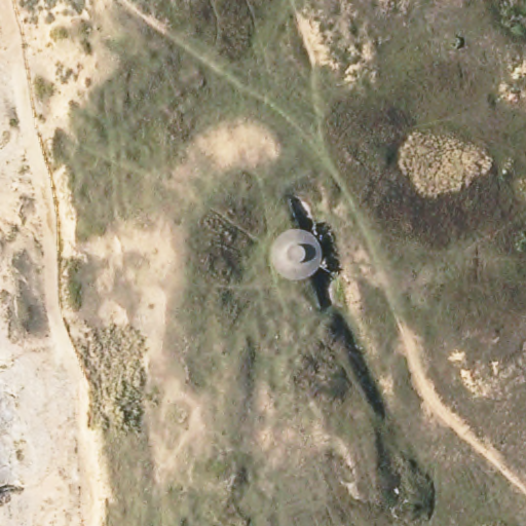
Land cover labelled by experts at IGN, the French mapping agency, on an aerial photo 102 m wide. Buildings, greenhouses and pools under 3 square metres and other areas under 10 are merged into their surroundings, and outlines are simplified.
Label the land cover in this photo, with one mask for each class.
<instances>
[{"label":"herbaceous vegetation","instance_id":"1","mask_svg":"<svg viewBox=\"0 0 526 526\"><path fill-rule=\"evenodd\" d=\"M144 12L154 14L158 21H166L168 29L164 33L152 29L148 23L134 16L127 8L113 18L117 25H121V39H107L105 49L119 58V66L97 90L90 92V101L84 107L70 101L68 119L70 125L76 129L78 138L70 140L66 136V154L60 158L68 173L72 208L76 210L78 242H88L107 232L111 234L121 220H132L138 214H142L144 173L152 168H175L183 164L187 160V144L210 129H218L224 121L245 119L247 125L255 123L265 127L277 142L279 154L277 158H271L269 162H257L251 168H226L222 173L220 183L203 201V214L197 220L189 222V234L185 238V292L181 304L187 308L189 314V353L185 360L189 380L183 386L195 395V399L201 405V419L205 425L212 427V456L205 460V473L214 479H236L238 468L247 466V485L242 487L234 481L228 497L212 491H187L179 485H168L164 495L152 497V487L156 485L154 452L150 446L146 423L142 421L144 427L140 431L125 434L121 431L123 419L117 423L107 417L103 419L101 431V452L107 458V475L111 489V493L105 497L103 526H281L277 516L269 514L271 497L265 495V491L259 487V468L265 464V460L257 454H234L230 440L222 434V429L228 427L226 395L230 388V378L234 374L245 392H255L259 384H267L271 392H312V399L316 401L325 417V431L343 438L351 450L353 464L349 466L345 464L339 452L329 448L325 450L327 505L325 510L316 512L302 508L294 510L290 514L288 526H526V495L512 487V483L487 462L485 456L475 452L471 444H466L452 427L444 425L436 413H427L423 409V399L413 384L409 362L403 351L397 327L407 323V327L417 337H421V366L425 370V376L434 382L440 401L471 427V431L479 440L489 438L491 446L503 458V462L512 471H516V475L522 481H526V0H134ZM300 18L314 21L318 25L321 41L329 49V58L323 66L310 64L304 39L298 29ZM411 132H417L421 136H444L448 140L454 138L466 146L485 150L491 160V166L487 175L473 177L471 185L460 187L458 191L440 193L436 197L421 195L415 189L413 179L409 175H403V171L399 168V150ZM296 199L306 212L308 220H312L321 222L316 226V238L321 242L327 267L318 269L310 277L318 298L316 310L298 292V279L284 277L281 271L271 263V249L275 240L286 230L296 228L290 218V203ZM345 263L351 265L353 279L358 281L362 298L360 308L366 327L376 335L378 343V353H372L368 360L364 358V351L360 349L358 339L345 318L347 298L343 277L339 275ZM362 267H370L376 273L384 271L390 277V281L382 288H376L364 277ZM464 370L471 372L473 380H483L489 384V397H473V392H468L460 378V372Z\"/></svg>","mask_w":526,"mask_h":526},{"label":"bare soil","instance_id":"2","mask_svg":"<svg viewBox=\"0 0 526 526\"><path fill-rule=\"evenodd\" d=\"M21 6L29 10L23 25L27 43H21V60L27 84L35 86L31 90V113L37 119L35 134L43 154V162L49 173L51 191H55L53 203L60 208L64 232V238L55 242L58 304L62 308L66 337L72 343L82 364L84 378L88 382L86 427L101 431L103 419L107 417L117 423L123 419L121 431L125 434L140 431L144 427L142 421L146 423L150 446L154 452L156 485L152 487V497L164 495L168 485H179L187 491H212L228 497L234 481L242 487L247 485V466L238 468L236 479H214L205 473V460L212 456V427L205 425L201 419V405L195 399V395L183 386L189 380L185 360L189 353V314L187 308L181 304L185 292V238L189 234V222L197 220L203 214V201L220 183L222 173L226 168H251L257 162H269L271 158H277L279 154L277 142L265 127L255 123L247 125L245 119L224 121L218 129H210L187 144V160L183 164L175 168H152L144 173L142 214H138L132 220H121L111 234L107 232L88 242H78L76 210L72 208L68 173L60 158L66 154V136L70 140L78 138L76 129L70 125L68 119L70 101L84 107L90 101V92L97 90L119 66V58L105 49L107 39H121V25H117L113 18V0H21ZM491 166V160L485 150L466 146L454 138L448 140L444 136H421L417 132H411L399 150V168L403 171V175H409L413 179L415 189L421 195L436 197L440 193L458 191L460 187L471 185L473 177L487 175ZM339 275L343 277L347 298L345 318L358 339L360 349L364 351V358L368 360L372 353H378V343L376 335L366 327L360 308L362 298L358 281L353 279L351 265L345 263ZM364 277L376 288H382L390 281V277L384 271L376 273L370 267H362ZM460 378L468 392H473V397H489V384L483 380H473L471 372L464 370L460 372ZM228 427L222 429V434L230 440L234 454H257L265 460V464L259 468V487L265 491V495L271 497L269 514L277 516L281 526H288L290 514L294 510L302 508L316 512L325 510L327 505L325 450L329 448L339 452L345 464L349 466L353 464L351 450L343 438L325 431V417L316 401L312 399V392H271L267 384H259L255 392H245L234 374L230 378V388L226 395ZM25 386L21 384L16 392H0V505L10 501V493H23V487L8 485L6 481L12 475V464L25 458V440H16L8 431L10 425L2 413V405L21 409ZM58 477L64 481V485H68L70 493V505L64 512V526H86L84 514L92 508V487L86 471V460L80 452V438H72V452H68V460L58 468Z\"/></svg>","mask_w":526,"mask_h":526},{"label":"pervious surface","instance_id":"3","mask_svg":"<svg viewBox=\"0 0 526 526\"><path fill-rule=\"evenodd\" d=\"M29 10L21 6V0H0V392H16L21 384L25 386L21 409L2 405V413L10 425L8 431L16 440H25V458L12 464V475L6 481L8 485L23 487V493H10V501L0 505V526H64V512L70 505V493L68 485H64V481L58 477V468L68 460V452H72V438H80V452L86 460V471L92 487V508L84 514L86 526H103L105 497L111 493V489L107 475V458L101 452V431L86 427L88 382L84 378L82 364L72 343L66 337L62 308L58 304L55 242L64 238V232L60 208L53 203L55 191H51L49 173L43 162V154L35 134L37 119L31 113V90L35 86L27 84L21 60V43H27L23 25ZM127 8L134 16L148 23L152 29L164 33L168 29L166 21H158L154 14L144 12L134 0H113V18ZM298 29L304 39L310 64L323 66L329 58V49L321 41L318 25L314 21L300 18ZM403 351L409 362L413 384L423 399V409L427 413H436L444 425L452 427L466 444H471L475 452L485 456L487 462L512 483V487L526 495V481H522L516 475V471H512L503 462V458L491 446L489 438L479 440L471 431V427L440 401L434 382L425 376V370L421 366V337H417L407 327V323L397 327Z\"/></svg>","mask_w":526,"mask_h":526},{"label":"building","instance_id":"4","mask_svg":"<svg viewBox=\"0 0 526 526\"><path fill-rule=\"evenodd\" d=\"M321 222L312 220L308 232L296 228L286 230L275 240L271 249V263L281 271L284 277L298 279L310 277L318 269L327 267L321 242L316 238V226Z\"/></svg>","mask_w":526,"mask_h":526},{"label":"impervious surface","instance_id":"5","mask_svg":"<svg viewBox=\"0 0 526 526\"><path fill-rule=\"evenodd\" d=\"M290 218L296 228L308 232L312 220H308L306 212L296 199L290 203ZM298 292L316 310L318 298L310 277L298 279Z\"/></svg>","mask_w":526,"mask_h":526}]
</instances>
